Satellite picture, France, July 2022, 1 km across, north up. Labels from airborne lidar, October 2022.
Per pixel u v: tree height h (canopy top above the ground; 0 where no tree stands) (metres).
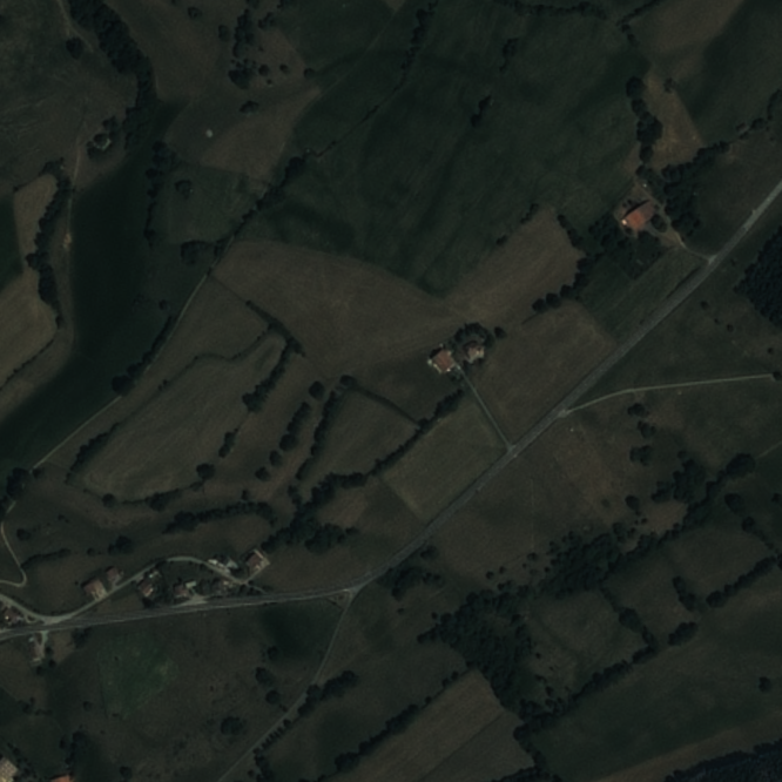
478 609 19
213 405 0
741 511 18
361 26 0
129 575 0
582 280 17
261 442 0
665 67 0
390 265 0
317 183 0
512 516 0
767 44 0
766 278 13
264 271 0
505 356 0
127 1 0
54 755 0
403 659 0
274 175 0
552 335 0
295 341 12
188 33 0
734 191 0
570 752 0
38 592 0
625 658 0
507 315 0
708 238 0
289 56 0
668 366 0
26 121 0
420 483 0
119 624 0
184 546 0
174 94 0
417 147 0
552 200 0
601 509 0
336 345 0
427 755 0
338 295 0
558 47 0
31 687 0
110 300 0
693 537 0
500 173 0
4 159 0
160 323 0
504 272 0
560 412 0
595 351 0
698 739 0
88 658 0
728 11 0
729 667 0
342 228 0
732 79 0
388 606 0
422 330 0
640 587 0
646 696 0
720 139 0
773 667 0
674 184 10
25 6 0
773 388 0
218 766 0
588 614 0
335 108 0
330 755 0
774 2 0
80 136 0
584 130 0
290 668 0
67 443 0
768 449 0
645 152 15
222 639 0
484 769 0
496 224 0
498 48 0
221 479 0
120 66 18
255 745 0
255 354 0
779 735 0
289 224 0
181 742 0
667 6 0
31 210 0
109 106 0
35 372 0
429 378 0
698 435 0
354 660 0
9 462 0
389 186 0
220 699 0
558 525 0
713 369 0
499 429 0
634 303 0
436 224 0
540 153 0
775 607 0
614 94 0
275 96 0
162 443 0
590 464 0
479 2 0
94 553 7
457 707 0
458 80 0
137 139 13
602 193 0
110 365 0
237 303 0
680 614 0
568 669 0
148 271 0
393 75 0
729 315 0
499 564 0
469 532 0
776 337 0
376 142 0
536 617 0
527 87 0
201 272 0
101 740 0
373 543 0
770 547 6
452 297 0
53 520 0
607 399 0
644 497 0
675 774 0
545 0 0
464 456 0
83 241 0
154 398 0
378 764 0
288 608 0
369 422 0
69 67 0
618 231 18
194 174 0
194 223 0
